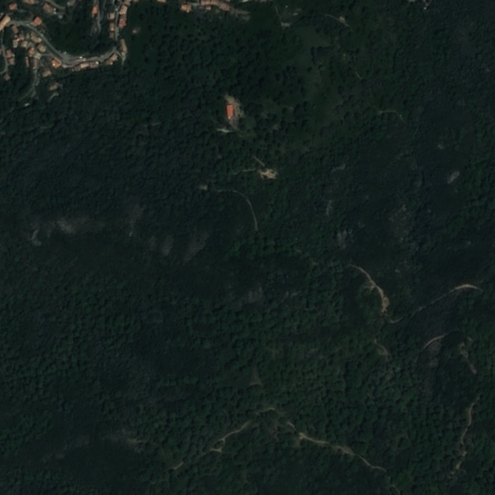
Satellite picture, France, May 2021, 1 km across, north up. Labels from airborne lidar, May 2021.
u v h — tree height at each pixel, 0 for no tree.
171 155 16
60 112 8
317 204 9
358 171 7
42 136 14
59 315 6
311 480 15
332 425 15
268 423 17
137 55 0
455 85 9
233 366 15
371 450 14
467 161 8
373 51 6
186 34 0
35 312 6
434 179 6
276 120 27
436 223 7
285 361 12
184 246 7
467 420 10
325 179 9
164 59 16
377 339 8
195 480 11
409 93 6
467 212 18
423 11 12
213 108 20
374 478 7
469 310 9
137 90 12
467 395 6
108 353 9
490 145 6
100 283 10
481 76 5
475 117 6
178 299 6
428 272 10
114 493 8
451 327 7
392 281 7
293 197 8
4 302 12
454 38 6
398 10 11
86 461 6
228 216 11
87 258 6
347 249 6
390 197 8
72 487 8
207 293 6
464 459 8
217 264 9
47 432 8
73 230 0
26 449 10
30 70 6
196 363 8
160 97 14
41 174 8
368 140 8
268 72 21
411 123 9
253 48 24
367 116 12
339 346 13
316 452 13
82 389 9
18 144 6
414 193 7
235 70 14
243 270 11
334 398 17
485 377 12
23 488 7
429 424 13
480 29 6
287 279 8
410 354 17
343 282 7
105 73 9
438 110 6
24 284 8
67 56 0
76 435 6
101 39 12
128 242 9
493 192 8
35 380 16
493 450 24
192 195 14
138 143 15
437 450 17
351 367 20
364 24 13
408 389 15
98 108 8
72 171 8
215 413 20
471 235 9
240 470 14
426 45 8
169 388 9
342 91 17
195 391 10
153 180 13
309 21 10
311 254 6
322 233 9
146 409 7
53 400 11
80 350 11
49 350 7
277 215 11
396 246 10
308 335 6
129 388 6
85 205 9
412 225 8
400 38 14
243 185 10
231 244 7
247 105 8
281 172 6
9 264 7
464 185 14
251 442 11
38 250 5
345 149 7
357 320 9
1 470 11
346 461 9
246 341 13
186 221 13
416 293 6
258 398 18
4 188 7
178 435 19
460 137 13
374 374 13
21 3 7
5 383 15
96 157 11
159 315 6
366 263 6
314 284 16
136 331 11
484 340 8
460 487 7
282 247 17
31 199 6
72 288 16
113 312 6
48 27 6
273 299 10
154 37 11
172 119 12
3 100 13
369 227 7
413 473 12
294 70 14
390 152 7
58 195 9
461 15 6
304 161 17
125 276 8
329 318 13
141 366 9
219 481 6
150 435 9
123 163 10
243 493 17
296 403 15
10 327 9
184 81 20
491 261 17
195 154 11
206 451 15
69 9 12
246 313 16
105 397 15
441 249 7
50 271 7
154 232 8
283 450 8
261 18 0
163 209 13
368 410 16
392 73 9
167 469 12
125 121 17
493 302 7
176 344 8
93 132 13
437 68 14
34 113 14
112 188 6
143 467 6
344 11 12
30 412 6
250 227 9
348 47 7
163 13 10
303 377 16
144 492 13
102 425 10
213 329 8
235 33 12
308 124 21
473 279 6
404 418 14
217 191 7
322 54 20
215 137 18
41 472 14
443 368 8
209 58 10
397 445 15
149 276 7
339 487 9
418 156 6
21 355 7
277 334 7
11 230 7
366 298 9
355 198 8
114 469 8
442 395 9
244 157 11
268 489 12
